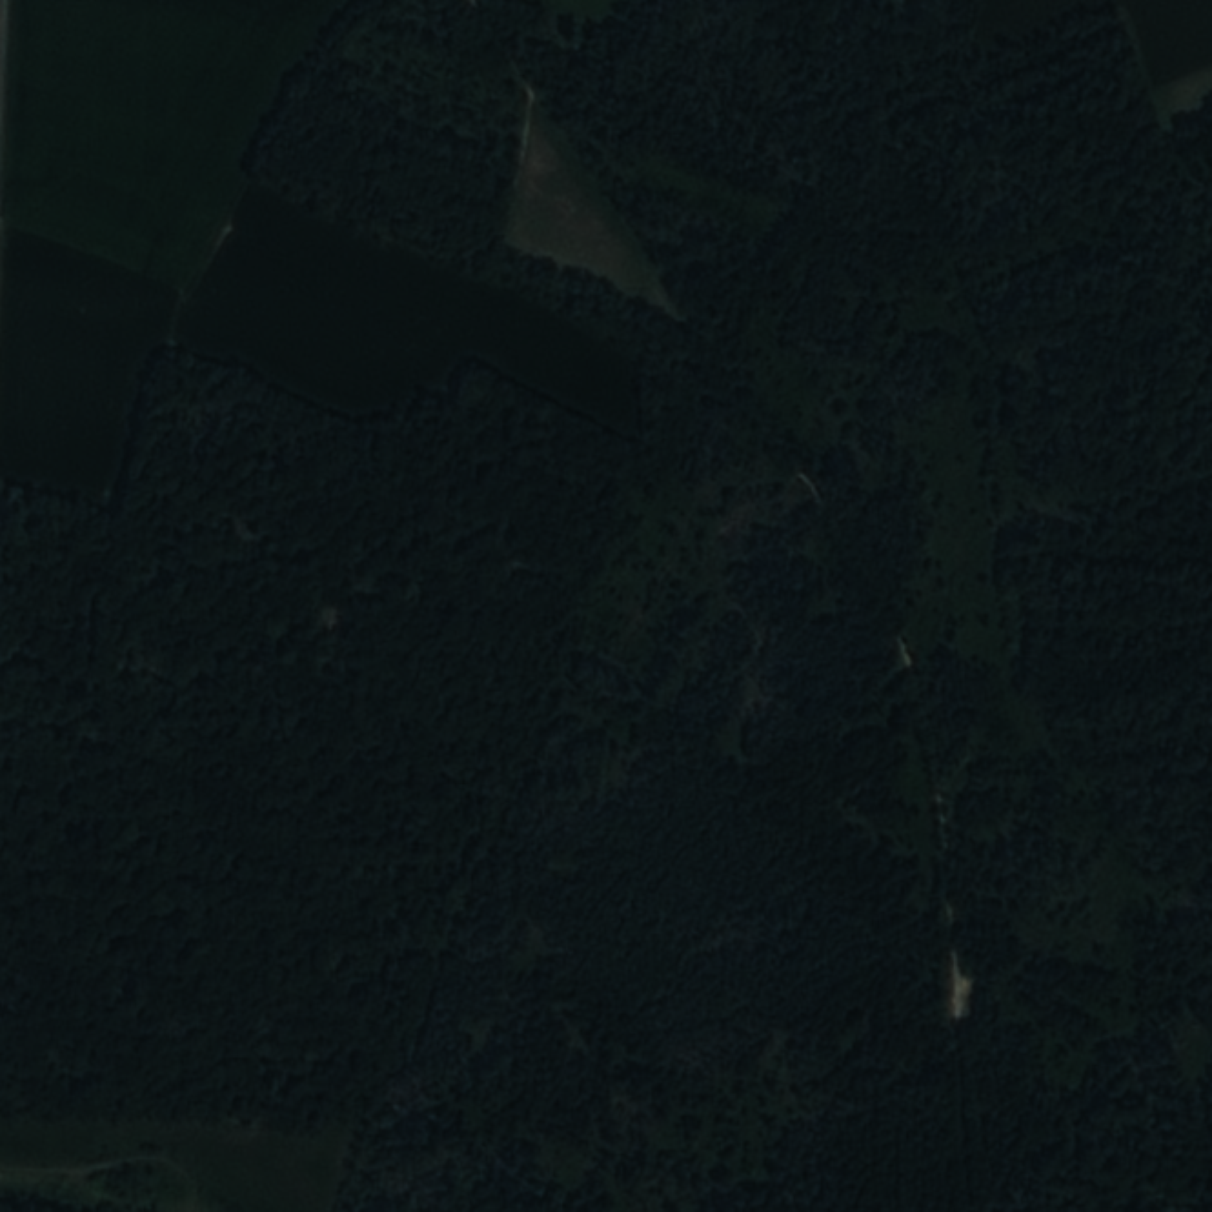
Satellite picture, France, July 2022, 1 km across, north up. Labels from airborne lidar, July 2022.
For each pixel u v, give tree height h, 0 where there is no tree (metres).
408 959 19
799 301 16
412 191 23
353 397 0
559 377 0
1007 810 20
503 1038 11
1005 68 13
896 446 25
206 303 0
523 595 18
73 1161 0
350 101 17
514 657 23
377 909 14
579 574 18
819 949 15
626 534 9
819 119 24
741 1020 15
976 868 24
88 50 0
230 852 17
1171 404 25
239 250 0
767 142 10
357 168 24
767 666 16
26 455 0
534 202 0
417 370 0
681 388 23
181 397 9
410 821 19
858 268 23
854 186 25
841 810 15
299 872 21
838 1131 17
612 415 0
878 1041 21
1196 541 19
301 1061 16
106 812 25
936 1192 18
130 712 19
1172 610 27
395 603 17
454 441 16
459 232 23
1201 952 23
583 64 25
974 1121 19
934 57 21
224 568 16
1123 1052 15
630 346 20
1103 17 15
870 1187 17
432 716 22
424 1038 16
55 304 0
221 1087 16
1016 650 7
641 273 0
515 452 23
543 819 15
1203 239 15
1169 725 26
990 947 17
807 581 18
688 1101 21
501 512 22
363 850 22
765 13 26
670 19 24
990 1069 17
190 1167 0
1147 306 28
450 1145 15
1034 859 25
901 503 12
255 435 20
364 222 20
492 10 19
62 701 23
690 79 23
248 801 22
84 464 0
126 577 25
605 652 7
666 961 14
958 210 12
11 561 25
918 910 20
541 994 19
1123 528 27
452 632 21
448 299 0
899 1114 19
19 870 20
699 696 17
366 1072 17
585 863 10
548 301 9
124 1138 0
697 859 15
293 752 22
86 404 0
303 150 25
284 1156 0
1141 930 13
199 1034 25
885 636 18
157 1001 18
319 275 0
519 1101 21
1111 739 25
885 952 16
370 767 16
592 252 0
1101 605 25
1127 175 24
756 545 16
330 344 0
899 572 20
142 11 0
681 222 9
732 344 19
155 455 25
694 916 15
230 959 20
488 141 11
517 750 21
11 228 0
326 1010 17
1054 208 28
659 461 18
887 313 11
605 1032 14
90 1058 21
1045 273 15
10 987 25
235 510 21
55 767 22
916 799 0
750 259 20
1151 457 24
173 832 22
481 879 15
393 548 26
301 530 27
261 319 0
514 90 16
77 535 25
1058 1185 23
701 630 23
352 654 21
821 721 15
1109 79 27
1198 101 0
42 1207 27
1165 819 19
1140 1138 27
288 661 22
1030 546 24
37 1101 19
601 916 13
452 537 21
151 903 20
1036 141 23
